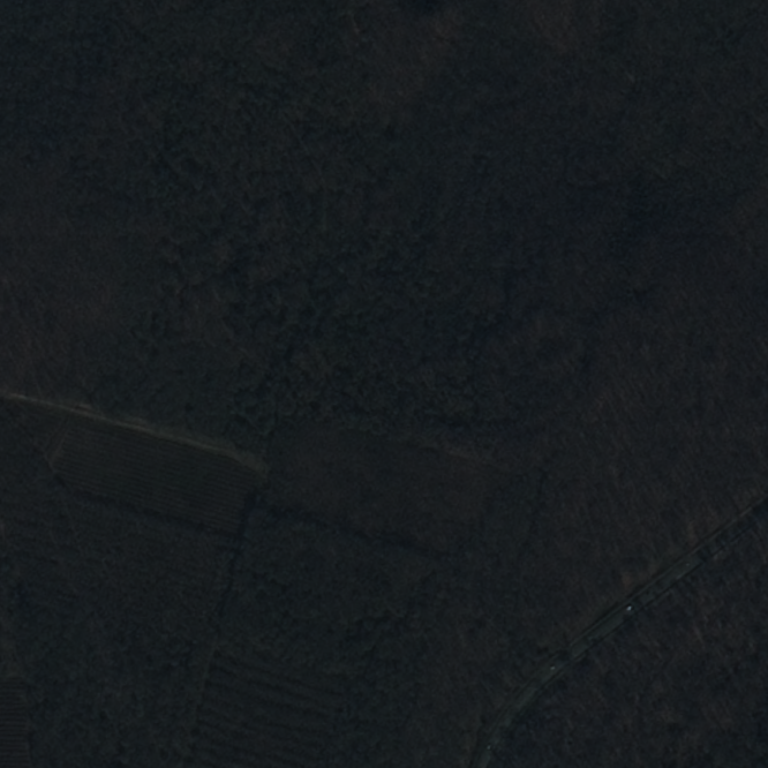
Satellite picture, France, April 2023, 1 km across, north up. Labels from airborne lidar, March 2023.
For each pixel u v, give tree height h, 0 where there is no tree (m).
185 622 14
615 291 16
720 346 19
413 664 20
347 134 21
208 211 21
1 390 25
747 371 18
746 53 25
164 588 17
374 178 18
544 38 23
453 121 18
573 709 19
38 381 18
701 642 25
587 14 24
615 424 24
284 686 16
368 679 28
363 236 8
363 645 26
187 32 18
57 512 16
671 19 21
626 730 22
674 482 23
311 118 19
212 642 15
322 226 21
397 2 26
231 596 22
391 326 17
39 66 15
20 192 23
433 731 19
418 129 22
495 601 22
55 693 17
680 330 20
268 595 26
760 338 20
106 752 17
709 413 21
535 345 23
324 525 19
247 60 20
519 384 27
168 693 29
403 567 26
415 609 22
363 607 28
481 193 15
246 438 22
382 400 23
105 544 12
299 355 23
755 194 20
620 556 20
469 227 19
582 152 14
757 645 27
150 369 20
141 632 22
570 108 19
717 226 23
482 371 23
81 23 14
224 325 27
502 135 18
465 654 22
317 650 27
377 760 25
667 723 28
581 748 16
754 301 26
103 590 18
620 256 18
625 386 23
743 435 23
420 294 20
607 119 17
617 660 23
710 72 24
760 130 25
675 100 21
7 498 13
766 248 20
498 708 24
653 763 27
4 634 29
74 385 18
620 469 25
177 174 15
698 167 16
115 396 22
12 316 22
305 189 23
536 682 0
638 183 13
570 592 23
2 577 22
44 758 23
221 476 0
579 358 18
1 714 0
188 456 0
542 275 19
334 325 26
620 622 0
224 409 22
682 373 20
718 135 16
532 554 20
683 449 23
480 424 24
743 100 24
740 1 22
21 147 21
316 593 28
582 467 20
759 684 22
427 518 15
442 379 24
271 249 23
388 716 26
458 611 27
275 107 16
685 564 0
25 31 16
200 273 27
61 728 23
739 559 21
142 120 24
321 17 22
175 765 19
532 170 19
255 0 18
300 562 26
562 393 25
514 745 19
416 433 18
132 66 21
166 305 21
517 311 27
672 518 20
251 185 21
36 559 18
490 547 23
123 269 22
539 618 24
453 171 20
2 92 21
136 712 22
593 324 18
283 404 19
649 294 15
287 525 24
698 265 24
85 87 21
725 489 25
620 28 15
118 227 23
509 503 22
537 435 27
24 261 23
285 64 18
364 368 27
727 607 24
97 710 25
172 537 14
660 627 20
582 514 24
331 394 25
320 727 16
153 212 26
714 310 22
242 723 16
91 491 0
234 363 24
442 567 20
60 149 22
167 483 0
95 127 24
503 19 23
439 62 24
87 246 23
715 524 22
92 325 26
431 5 20
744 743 25
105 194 26
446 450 22
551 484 22
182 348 25
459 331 21
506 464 20
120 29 15
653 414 18
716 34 24
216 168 19
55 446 0
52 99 21
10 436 17
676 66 19
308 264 20
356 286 23
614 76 19
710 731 26
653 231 19
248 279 17
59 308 26
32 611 20
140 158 22
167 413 19
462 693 27
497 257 21
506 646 21
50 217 23
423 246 20
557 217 20
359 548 23
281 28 22
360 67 22
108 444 0
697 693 27
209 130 20
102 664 24
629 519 24
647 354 23
